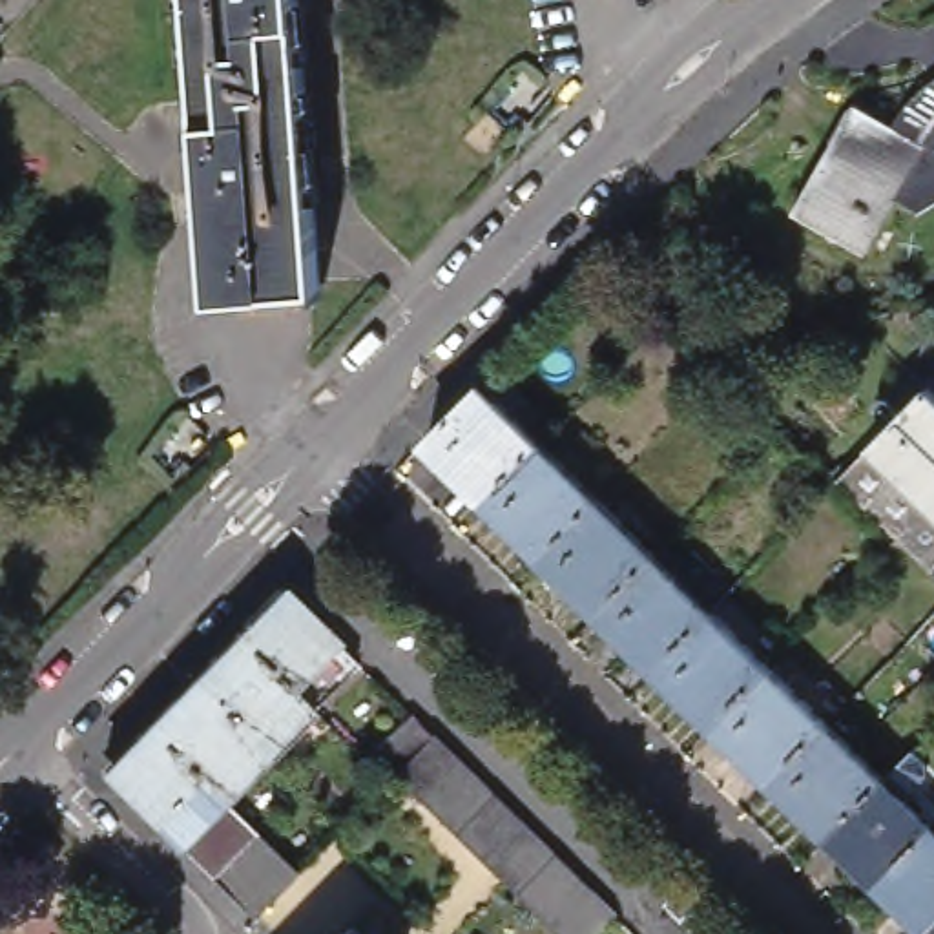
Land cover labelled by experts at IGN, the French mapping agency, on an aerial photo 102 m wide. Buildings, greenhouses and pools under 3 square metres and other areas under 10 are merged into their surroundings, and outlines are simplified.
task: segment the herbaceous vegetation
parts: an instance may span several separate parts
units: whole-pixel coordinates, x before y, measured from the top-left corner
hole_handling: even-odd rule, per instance
[[[872,401],[868,394],[854,394],[846,394],[839,405],[781,401],[784,420],[777,423],[777,431],[792,449],[810,452],[817,460],[817,471],[806,474],[810,489],[846,485],[843,471],[887,431],[887,423],[901,409],[894,401],[876,398]]]
[[[766,668],[766,675],[795,704],[803,704],[810,719],[817,719],[828,730],[828,737],[839,741],[934,835],[934,576],[912,566],[887,536],[861,540],[857,529],[843,525],[832,514],[832,503],[821,496],[814,503],[814,518],[803,525],[803,536],[792,540],[781,555],[788,562],[788,591],[777,598],[777,606],[799,609],[799,602],[810,591],[817,591],[832,573],[843,569],[843,562],[854,562],[861,551],[879,562],[879,573],[887,580],[901,580],[898,598],[883,617],[854,613],[843,624],[817,620],[803,642],[770,635],[770,602],[744,587],[744,580],[719,555],[726,547],[755,551],[763,544],[773,518],[770,496],[759,489],[741,493],[726,503],[733,511],[730,529],[708,533],[704,540],[693,540],[686,533],[682,511],[690,500],[708,493],[711,478],[719,474],[719,452],[704,449],[690,431],[675,427],[668,416],[668,376],[686,379],[697,372],[690,354],[646,347],[638,354],[642,387],[631,390],[631,398],[580,401],[576,412],[555,383],[544,379],[544,372],[500,390],[493,405],[562,478],[569,478],[701,613],[708,613],[759,668]]]
[[[44,343],[22,350],[15,376],[15,390],[29,390],[40,405],[58,405],[84,416],[91,441],[99,449],[106,445],[99,471],[84,471],[95,485],[91,514],[88,522],[62,518],[55,529],[18,533],[15,514],[0,507],[0,624],[4,617],[11,617],[22,628],[51,628],[40,609],[55,606],[55,598],[88,566],[88,558],[102,551],[113,529],[124,525],[150,496],[168,489],[171,482],[171,474],[157,463],[157,452],[164,452],[168,434],[175,434],[182,409],[175,401],[175,379],[153,350],[153,292],[161,270],[157,259],[120,255],[113,248],[106,299],[99,306],[88,306],[80,314],[80,325],[47,310]]]
[[[463,916],[456,934],[547,934],[540,916],[529,912],[529,905],[514,890],[496,887]]]
[[[507,55],[522,51],[536,51],[529,0],[412,0],[441,33],[434,36],[431,55],[412,84],[379,88],[361,73],[361,58],[347,58],[343,66],[336,62],[332,0],[285,0],[299,201],[303,212],[314,219],[317,285],[325,285],[343,193],[387,244],[394,244],[409,259],[416,259],[460,212],[452,204],[452,193],[474,175],[474,168],[485,164],[482,150],[471,146],[467,135],[482,117],[471,106],[471,95],[482,88],[489,73],[503,66]]]
[[[887,285],[898,277],[890,270],[894,259],[919,255],[934,270],[934,208],[890,208],[890,219],[872,230],[865,255],[850,255],[846,248],[788,219],[792,204],[799,201],[803,186],[810,182],[814,168],[828,150],[832,131],[843,124],[850,109],[857,109],[850,95],[835,88],[839,77],[825,66],[806,66],[803,73],[795,73],[795,80],[781,91],[784,99],[763,102],[755,120],[741,124],[722,146],[715,146],[701,164],[693,164],[690,171],[697,175],[697,182],[690,190],[671,190],[642,226],[649,226],[660,241],[668,241],[671,234],[686,234],[704,244],[711,244],[722,230],[755,226],[766,237],[773,259],[795,274],[781,288],[788,303],[784,317],[773,325],[781,343],[792,354],[828,354],[843,365],[861,368],[872,343],[883,339],[879,303]]]
[[[22,182],[36,175],[36,182],[51,193],[69,193],[77,186],[95,190],[109,201],[109,212],[146,182],[135,179],[135,171],[120,168],[117,157],[106,153],[91,135],[66,124],[62,113],[33,84],[7,80],[0,88],[0,193],[15,201]]]
[[[879,26],[905,33],[934,26],[934,0],[887,0],[876,11]]]
[[[350,752],[361,722],[383,733],[390,730],[390,719],[376,708],[379,686],[358,671],[347,682],[317,686],[321,701],[310,708],[314,715],[303,722],[299,737],[237,799],[241,817],[259,835],[263,843],[299,872],[310,865],[303,854],[310,828],[336,828],[350,814],[350,803],[361,795],[383,814],[379,825],[361,832],[361,843],[390,843],[398,854],[405,854],[412,876],[423,879],[438,901],[449,898],[456,868],[445,854],[438,854],[423,821],[412,810],[405,810],[409,795],[409,788],[390,777],[387,766],[358,759]]]
[[[609,376],[617,376],[628,361],[624,347],[606,332],[584,332],[562,350],[569,354],[573,368],[587,365],[591,358],[606,365]]]
[[[51,0],[36,29],[29,33],[29,62],[58,77],[88,109],[95,109],[117,131],[128,131],[157,102],[175,102],[179,73],[171,55],[175,36],[168,0]]]

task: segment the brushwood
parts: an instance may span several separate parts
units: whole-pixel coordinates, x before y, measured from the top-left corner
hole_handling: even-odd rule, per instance
[[[817,591],[810,591],[799,602],[799,609],[777,606],[777,598],[788,591],[788,562],[781,555],[792,540],[803,536],[803,525],[814,518],[814,503],[821,496],[832,503],[832,514],[843,525],[857,529],[861,540],[887,536],[879,514],[865,511],[857,489],[846,485],[810,489],[806,474],[817,471],[817,460],[810,452],[792,449],[777,431],[766,431],[755,449],[719,452],[719,474],[711,478],[708,493],[690,500],[682,511],[686,533],[693,540],[704,540],[708,533],[730,529],[733,511],[726,503],[741,493],[759,489],[770,496],[773,518],[763,544],[755,551],[726,547],[719,555],[744,580],[744,587],[770,602],[770,635],[803,642],[817,620],[843,624],[854,613],[883,617],[898,598],[901,580],[887,580],[879,573],[879,562],[861,551],[854,562],[843,562],[843,569],[832,573]]]
[[[51,628],[62,628],[80,606],[88,606],[102,591],[102,584],[117,569],[124,569],[230,460],[230,431],[223,427],[215,431],[215,441],[193,452],[190,474],[179,474],[171,482],[168,489],[150,496],[124,525],[113,529],[102,551],[88,558],[88,566],[55,598],[55,606],[40,609]]]
[[[883,923],[883,908],[865,890],[850,887],[821,887],[821,894],[861,934],[872,934]]]
[[[368,872],[412,927],[431,927],[438,901],[423,879],[412,876],[405,854],[398,854],[390,843],[361,843],[361,832],[379,825],[383,814],[361,795],[350,803],[350,814],[336,828],[310,828],[303,854],[310,865],[325,846],[336,846],[339,861]]]
[[[325,285],[321,296],[306,296],[306,306],[314,336],[306,365],[325,365],[332,354],[350,354],[361,343],[354,328],[376,314],[387,288],[376,288],[372,277]]]
[[[460,212],[471,208],[500,171],[507,171],[514,157],[533,150],[540,139],[540,124],[525,124],[522,131],[496,128],[493,146],[482,150],[485,164],[474,168],[474,175],[452,193],[452,204]]]
[[[171,204],[157,182],[146,182],[109,212],[113,248],[120,255],[157,259],[161,248],[171,241],[175,226]]]
[[[493,106],[500,102],[507,106],[507,91],[514,88],[518,73],[529,73],[522,51],[507,55],[503,66],[489,73],[482,88],[471,95],[471,106],[482,117],[493,117]]]
[[[883,84],[901,113],[934,84],[934,62],[923,66],[905,58],[901,66],[868,66],[861,77],[839,77],[835,88],[850,95]]]
[[[887,285],[879,303],[883,339],[872,343],[861,368],[854,394],[868,394],[872,401],[876,398],[898,354],[934,347],[934,270],[919,255],[894,259],[890,270],[898,277]]]

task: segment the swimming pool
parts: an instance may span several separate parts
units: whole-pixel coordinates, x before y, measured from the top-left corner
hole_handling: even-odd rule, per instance
[[[544,379],[555,383],[566,383],[573,368],[569,354],[562,350],[544,358],[544,372]]]

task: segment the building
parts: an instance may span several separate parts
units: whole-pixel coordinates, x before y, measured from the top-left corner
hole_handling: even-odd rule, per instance
[[[887,423],[887,431],[843,471],[846,485],[857,489],[865,511],[879,514],[887,536],[912,566],[934,576],[934,405],[927,398],[912,398],[901,409]]]
[[[857,109],[850,109],[843,124],[832,131],[828,150],[814,168],[810,182],[803,186],[799,201],[792,204],[788,219],[846,248],[850,255],[865,255],[872,230],[890,219],[890,208],[934,208],[934,84],[901,113],[898,120],[883,124]]]
[[[835,868],[846,868],[850,887],[865,890],[883,908],[883,923],[872,934],[934,934],[934,835],[839,741],[828,737],[828,730],[817,719],[810,719],[803,704],[795,704],[766,675],[766,668],[759,668],[708,613],[701,613],[569,478],[562,478],[493,405],[478,394],[463,394],[449,409],[449,416],[416,445],[416,456],[427,463],[427,471],[452,493],[449,514],[474,511],[536,573],[536,580],[544,580],[544,587],[555,598],[562,598],[628,668],[642,664],[642,682],[649,682],[668,701],[668,708],[679,711],[693,726],[693,733],[701,733],[701,741],[708,741],[744,777],[748,792],[763,792],[763,799],[773,810],[781,810],[803,832],[806,843],[828,843],[828,857],[835,861]]]
[[[347,682],[358,671],[347,646],[296,595],[281,595],[109,770],[109,788],[161,835],[161,843],[171,854],[193,850],[212,868],[223,865],[244,839],[259,835],[241,817],[237,799],[299,737],[303,722],[314,715],[310,708],[321,701],[317,686]]]
[[[277,894],[299,872],[263,843],[230,879],[219,879],[219,890],[241,912],[263,916],[263,908],[274,905]]]
[[[350,752],[358,759],[387,766],[390,777],[409,788],[409,795],[423,799],[438,814],[438,821],[493,872],[496,887],[514,890],[529,905],[529,912],[540,916],[547,934],[598,934],[602,927],[613,927],[609,908],[500,799],[493,799],[493,792],[438,737],[431,737],[412,719],[394,730],[394,737],[383,733],[361,722]]]
[[[175,226],[182,230],[190,255],[193,317],[204,317],[212,306],[230,306],[234,314],[259,314],[270,306],[270,299],[281,310],[306,306],[306,296],[321,296],[325,285],[317,285],[314,219],[303,212],[299,201],[285,0],[168,0],[175,36],[171,55],[179,73],[175,102],[186,124],[179,128],[182,193],[171,204]]]

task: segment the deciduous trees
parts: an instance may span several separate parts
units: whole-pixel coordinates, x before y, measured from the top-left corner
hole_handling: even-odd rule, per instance
[[[55,529],[62,518],[88,522],[91,514],[95,485],[84,471],[99,471],[106,445],[99,449],[91,441],[84,416],[58,405],[40,405],[29,390],[15,390],[15,376],[22,350],[44,343],[47,310],[80,325],[80,314],[88,306],[99,306],[106,299],[113,248],[109,212],[109,201],[95,190],[77,186],[69,193],[51,193],[36,182],[36,175],[22,182],[15,201],[0,193],[0,507],[15,514],[18,533]]]
[[[343,66],[347,58],[361,58],[361,73],[379,88],[412,84],[431,55],[434,36],[441,33],[412,0],[332,0],[336,62]]]
[[[595,850],[602,876],[613,887],[649,890],[675,912],[686,912],[686,934],[810,934],[795,919],[792,898],[773,883],[730,868],[722,857],[704,868],[701,857],[686,854],[697,828],[686,817],[682,803],[668,792],[649,788],[598,726],[580,722],[573,704],[551,701],[540,682],[540,668],[522,649],[507,649],[496,642],[478,606],[463,606],[427,587],[420,580],[416,562],[398,544],[379,544],[365,529],[350,529],[343,536],[339,558],[314,558],[321,602],[339,617],[368,620],[390,642],[405,635],[416,638],[416,668],[423,668],[434,682],[431,701],[438,715],[460,733],[485,741],[500,759],[514,763],[533,799],[540,799],[544,806],[569,810],[576,843]]]
[[[0,715],[18,715],[29,693],[40,686],[40,679],[33,675],[33,660],[51,628],[22,628],[11,617],[4,617],[0,624]]]
[[[0,934],[161,934],[157,927],[142,927],[139,916],[124,905],[95,905],[77,887],[62,887],[62,861],[55,857],[55,850],[15,865],[0,861]]]
[[[533,325],[518,328],[496,354],[485,358],[482,372],[489,387],[500,390],[544,372],[544,358],[562,350],[584,332],[606,332],[624,347],[628,361],[617,376],[609,376],[606,365],[591,358],[587,365],[573,368],[566,383],[555,383],[576,412],[580,401],[631,398],[631,390],[642,387],[638,354],[646,347],[690,354],[697,372],[686,379],[668,376],[668,416],[675,427],[690,431],[704,449],[719,452],[755,449],[766,431],[777,431],[777,423],[784,420],[781,401],[839,405],[846,394],[854,394],[861,368],[843,365],[828,354],[792,354],[781,343],[773,325],[784,317],[788,303],[781,288],[795,274],[773,259],[766,237],[755,226],[722,230],[711,244],[704,244],[686,234],[671,234],[668,241],[660,241],[649,226],[642,226],[620,226],[598,244],[587,244],[566,288],[544,303]]]

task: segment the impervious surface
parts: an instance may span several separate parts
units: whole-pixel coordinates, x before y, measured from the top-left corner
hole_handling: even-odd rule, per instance
[[[175,102],[157,102],[128,131],[117,131],[95,109],[88,109],[58,77],[29,62],[29,33],[36,29],[51,0],[0,0],[0,88],[7,80],[33,84],[62,113],[66,124],[91,135],[106,153],[117,157],[120,168],[135,171],[135,179],[146,182],[157,182],[171,204],[182,193],[179,128],[186,124]]]
[[[894,401],[901,409],[912,398],[927,398],[934,405],[934,347],[898,354],[876,398]]]
[[[901,113],[883,84],[850,95],[857,109],[883,124],[898,120]]]
[[[77,887],[95,905],[124,905],[139,916],[142,927],[157,927],[161,934],[456,934],[463,916],[496,887],[493,872],[438,821],[438,814],[423,799],[409,795],[405,810],[412,810],[423,821],[438,854],[445,854],[456,868],[449,898],[438,901],[431,927],[412,927],[368,872],[339,861],[336,846],[325,846],[310,865],[299,872],[277,894],[274,905],[263,908],[263,916],[241,912],[219,890],[219,879],[230,879],[263,843],[259,835],[244,839],[223,865],[212,868],[193,850],[171,854],[161,843],[161,835],[109,788],[109,770],[281,595],[296,595],[347,646],[358,671],[379,686],[376,708],[390,719],[390,730],[383,733],[394,737],[394,730],[412,719],[431,737],[438,737],[493,792],[493,799],[500,799],[609,908],[613,927],[602,927],[598,934],[686,934],[686,912],[675,912],[649,890],[613,887],[602,876],[595,850],[576,843],[569,810],[544,806],[540,799],[533,799],[514,763],[500,759],[485,741],[460,733],[438,715],[431,701],[434,682],[423,668],[416,668],[416,638],[405,635],[390,642],[368,620],[339,617],[321,602],[314,558],[339,558],[343,536],[350,529],[365,529],[379,544],[398,544],[416,562],[420,580],[427,587],[463,606],[478,606],[496,642],[507,649],[522,649],[540,668],[540,682],[551,701],[573,704],[580,722],[598,726],[649,788],[668,792],[682,803],[686,817],[697,828],[686,854],[701,857],[704,868],[722,857],[730,868],[773,883],[792,898],[795,919],[810,934],[861,934],[821,894],[821,887],[850,887],[846,868],[835,868],[835,861],[828,857],[828,843],[806,843],[803,832],[781,810],[773,810],[763,799],[763,792],[748,792],[744,777],[708,741],[701,741],[701,733],[693,733],[693,726],[679,711],[668,708],[668,701],[649,682],[642,682],[642,664],[628,668],[562,598],[555,598],[544,587],[544,580],[536,580],[536,573],[474,511],[449,514],[452,493],[427,471],[427,463],[416,456],[416,445],[449,416],[449,409],[463,394],[478,394],[493,405],[500,390],[489,387],[482,372],[485,358],[496,354],[518,328],[533,325],[544,303],[566,288],[587,244],[598,244],[620,226],[642,226],[671,190],[690,190],[697,182],[697,175],[690,171],[693,164],[701,164],[715,146],[722,146],[741,124],[755,120],[763,102],[784,99],[781,91],[795,80],[795,73],[803,73],[806,66],[825,66],[839,77],[861,77],[868,66],[901,66],[905,58],[923,66],[934,62],[934,26],[905,33],[879,26],[876,11],[887,0],[529,0],[536,51],[522,51],[529,73],[518,73],[514,88],[507,91],[507,106],[500,102],[493,106],[493,117],[482,117],[467,135],[471,146],[482,150],[493,146],[496,128],[522,131],[525,124],[540,124],[540,139],[533,150],[514,157],[507,171],[500,171],[471,208],[460,212],[416,259],[409,259],[394,244],[387,244],[343,193],[325,285],[372,277],[376,288],[387,288],[376,314],[354,328],[361,343],[350,354],[332,354],[325,365],[306,365],[314,336],[306,306],[281,310],[270,299],[270,306],[259,314],[234,314],[230,306],[212,306],[204,317],[193,317],[190,255],[182,230],[175,226],[171,241],[161,248],[157,259],[161,270],[153,292],[153,350],[175,379],[175,401],[182,409],[175,434],[168,434],[164,452],[157,452],[157,463],[171,474],[171,482],[179,474],[190,474],[193,452],[215,441],[215,431],[223,427],[230,431],[230,460],[124,569],[117,569],[102,584],[102,591],[88,606],[80,606],[62,628],[51,628],[33,660],[33,675],[40,679],[40,686],[29,693],[18,715],[0,715],[0,861],[15,865],[55,850],[55,857],[62,861],[62,887]]]

